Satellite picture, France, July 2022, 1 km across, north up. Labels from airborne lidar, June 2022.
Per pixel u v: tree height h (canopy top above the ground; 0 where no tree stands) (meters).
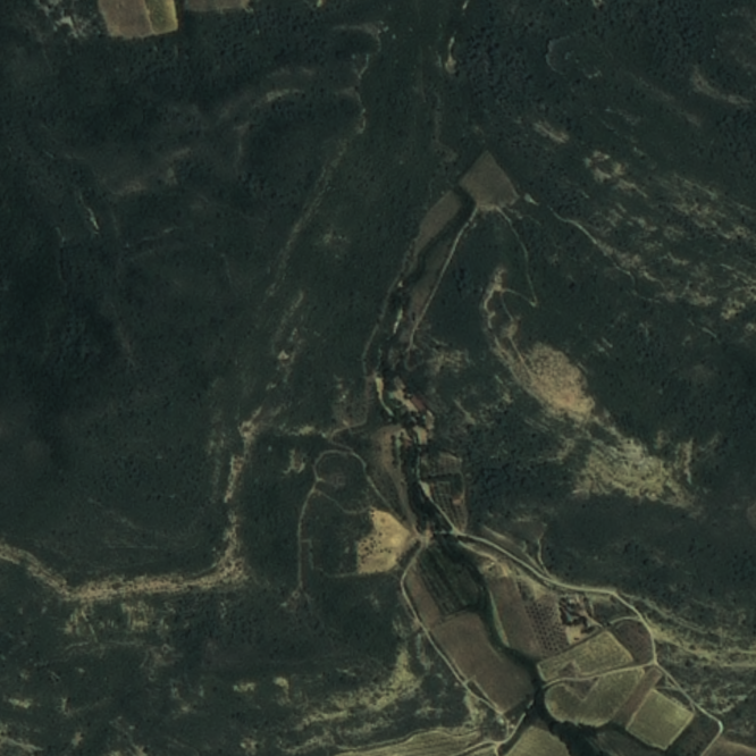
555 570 9
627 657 0
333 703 0
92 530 0
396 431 0
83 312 9
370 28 0
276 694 0
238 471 0
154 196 6
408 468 7
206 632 8
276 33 12
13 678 0
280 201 9
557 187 9
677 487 0
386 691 0
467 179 0
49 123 7
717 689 0
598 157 0
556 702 0
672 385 7
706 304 0
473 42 11
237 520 0
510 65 7
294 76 0
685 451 0
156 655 0
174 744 0
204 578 0
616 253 0
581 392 0
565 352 0
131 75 6
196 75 7
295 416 6
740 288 0
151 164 0
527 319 0
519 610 0
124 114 6
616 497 0
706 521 0
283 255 0
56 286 7
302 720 0
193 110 0
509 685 0
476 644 0
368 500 0
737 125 9
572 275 0
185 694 0
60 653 0
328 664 0
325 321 0
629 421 9
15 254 6
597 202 0
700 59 6
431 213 0
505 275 0
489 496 10
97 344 12
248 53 11
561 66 0
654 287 0
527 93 8
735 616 0
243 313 0
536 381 0
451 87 8
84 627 0
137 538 0
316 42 10
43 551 0
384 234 11
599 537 0
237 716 9
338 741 0
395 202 10
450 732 0
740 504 0
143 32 0
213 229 0
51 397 7
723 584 0
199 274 0
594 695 0
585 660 0
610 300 0
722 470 7
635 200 0
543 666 0
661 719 0
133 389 6
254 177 10
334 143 0
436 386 0
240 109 0
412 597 0
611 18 7
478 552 0
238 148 0
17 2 6
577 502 0
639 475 0
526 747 0
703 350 0
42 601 0
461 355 0
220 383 0
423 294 0
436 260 0
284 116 10
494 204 0
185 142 5
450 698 0
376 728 0
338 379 0
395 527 0
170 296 0
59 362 8
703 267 0
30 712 0
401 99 11
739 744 0
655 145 0
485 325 0
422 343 0
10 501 0
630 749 0
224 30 7
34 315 7
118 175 0
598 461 0
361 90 13
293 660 0
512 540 0
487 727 0
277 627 0
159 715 0
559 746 0
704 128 0
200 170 8
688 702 0
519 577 0
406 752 0
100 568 0
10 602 0
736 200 0
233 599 7
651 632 0
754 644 0
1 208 6
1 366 7
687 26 9
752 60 0
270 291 0
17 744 0
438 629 0
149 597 0
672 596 7
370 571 0
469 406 0
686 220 6
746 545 0
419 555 0
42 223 7
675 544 0
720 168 0
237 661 0
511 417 8
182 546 0
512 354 0
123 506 0
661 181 0
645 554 7
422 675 0
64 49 6
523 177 0
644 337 10
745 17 0
